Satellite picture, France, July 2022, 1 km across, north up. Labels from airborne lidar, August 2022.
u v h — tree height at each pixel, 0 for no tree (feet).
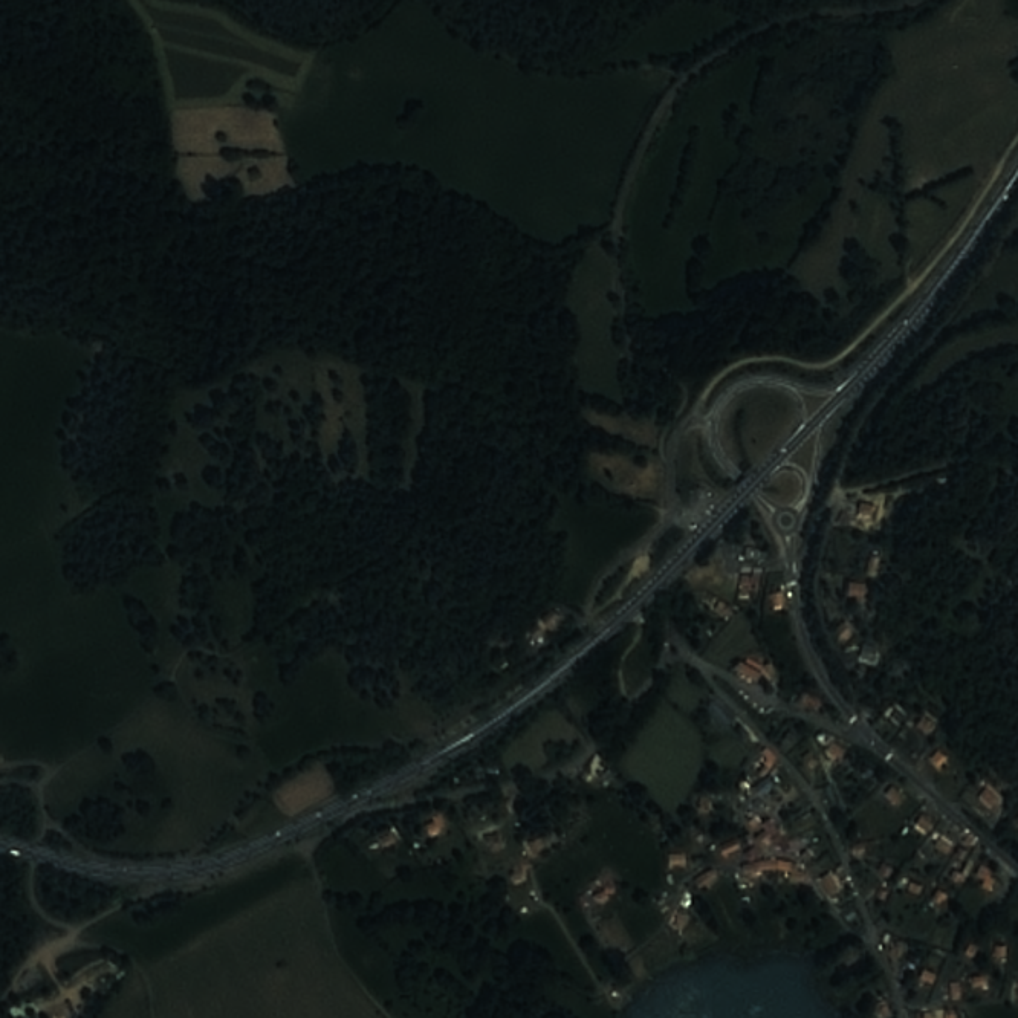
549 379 72
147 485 31
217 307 46
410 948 37
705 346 101
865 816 0
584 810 0
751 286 86
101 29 65
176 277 67
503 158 0
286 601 38
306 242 67
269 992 0
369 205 42
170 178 39
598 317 0
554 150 0
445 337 69
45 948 0
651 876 0
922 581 24
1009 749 44
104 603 0
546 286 72
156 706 0
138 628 81
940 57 0
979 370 26
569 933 0
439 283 55
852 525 0
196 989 0
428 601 46
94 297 39
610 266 0
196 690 0
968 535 43
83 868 0
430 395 47
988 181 0
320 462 52
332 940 0
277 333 43
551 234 0
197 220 76
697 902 44
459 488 72
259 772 0
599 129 0
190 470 0
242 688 0
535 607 55
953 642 25
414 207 82
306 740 0
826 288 0
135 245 44
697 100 0
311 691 0
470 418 52
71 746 0
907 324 0
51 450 0
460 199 59
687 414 0
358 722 0
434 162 0
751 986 0
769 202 28
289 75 0
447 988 53
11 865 60
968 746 45
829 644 37
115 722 0
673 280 0
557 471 99
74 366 0
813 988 0
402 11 0
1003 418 28
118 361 58
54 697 0
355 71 0
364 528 41
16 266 69
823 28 52
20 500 0
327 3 82
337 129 0
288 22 29
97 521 45
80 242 52
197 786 0
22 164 48
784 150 0
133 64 40
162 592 0
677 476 0
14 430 0
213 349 47
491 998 80
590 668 43
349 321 45
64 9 67
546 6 46
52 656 0
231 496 48
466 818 51
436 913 54
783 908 65
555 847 22
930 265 0
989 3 0
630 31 22
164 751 0
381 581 39
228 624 0
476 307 49
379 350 31
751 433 0
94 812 47
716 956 0
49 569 0
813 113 0
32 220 72
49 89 44
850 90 31
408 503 72
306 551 33
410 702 0
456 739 0
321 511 45
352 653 46
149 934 0
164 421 30
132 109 66
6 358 0
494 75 0
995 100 0
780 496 0
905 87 0
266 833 0
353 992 0
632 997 0
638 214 0
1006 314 53
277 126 24
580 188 0
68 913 66
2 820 24
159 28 0
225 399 64
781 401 0
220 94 0
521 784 66
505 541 64
